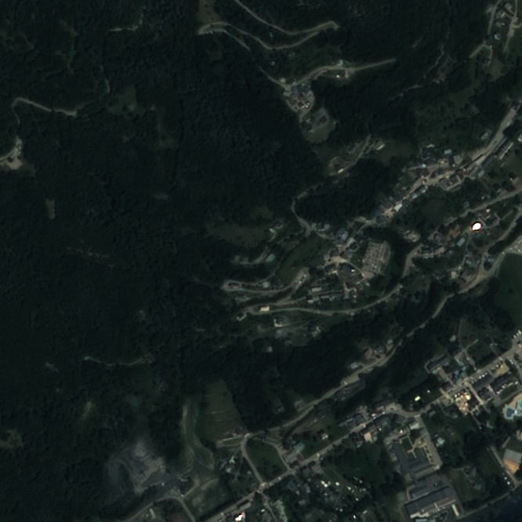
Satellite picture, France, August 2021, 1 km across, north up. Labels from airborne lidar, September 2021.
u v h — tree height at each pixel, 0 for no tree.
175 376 33
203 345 15
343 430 0
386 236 20
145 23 15
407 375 12
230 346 13
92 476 28
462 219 11
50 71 16
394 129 28
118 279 19
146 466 0
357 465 0
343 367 16
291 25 11
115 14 24
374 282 9
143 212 15
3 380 19
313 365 26
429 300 16
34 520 23
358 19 16
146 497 18
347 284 7
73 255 7
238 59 28
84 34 28
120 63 33
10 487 27
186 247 17
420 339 21
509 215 0
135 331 12
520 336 0
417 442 0
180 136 6
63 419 22
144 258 6
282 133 24
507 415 0
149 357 9
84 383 13
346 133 21
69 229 16
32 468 7
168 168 7
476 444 17
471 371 8
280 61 17
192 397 0
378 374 10
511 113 0
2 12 17
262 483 0
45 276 26
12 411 21
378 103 26
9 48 8
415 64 12
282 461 0
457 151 7
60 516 18
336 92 14
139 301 20
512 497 0
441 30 17
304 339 0
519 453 0
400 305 17
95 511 7
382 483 0
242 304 7
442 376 0
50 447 22
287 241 9
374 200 8
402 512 0
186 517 0
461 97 0
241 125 26
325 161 0
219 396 0
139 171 18
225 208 19
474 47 10
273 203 25
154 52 34
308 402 0
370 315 6
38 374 18
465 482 0
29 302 25
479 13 12
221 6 6
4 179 15
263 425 14
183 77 26
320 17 17
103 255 12
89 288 15
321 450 0
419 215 7
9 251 6
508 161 0
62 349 26
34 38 19
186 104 31
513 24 0
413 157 7
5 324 17
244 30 14
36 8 17
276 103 13
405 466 0
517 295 0
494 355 14
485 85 10
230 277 16
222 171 19
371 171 19
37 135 31
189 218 20
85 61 20
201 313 11
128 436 20
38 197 18
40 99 15
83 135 22
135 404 0
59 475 33
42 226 20
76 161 26
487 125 6
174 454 10
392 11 18
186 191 18
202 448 0
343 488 0
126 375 11
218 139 28
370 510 0
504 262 0
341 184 12
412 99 21
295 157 16
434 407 9
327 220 22
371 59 21
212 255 11
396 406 0
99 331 24
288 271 0
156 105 15
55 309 19
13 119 14
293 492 7
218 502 0
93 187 22
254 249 10
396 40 17
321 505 13
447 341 11
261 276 12
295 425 6
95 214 19
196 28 7
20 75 12
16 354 22
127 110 16
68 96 20
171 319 11
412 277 9
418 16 20
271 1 16
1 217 20
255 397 28
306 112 0
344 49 17
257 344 15
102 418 12
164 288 26
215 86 30
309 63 7
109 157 20
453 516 0
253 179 30
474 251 7
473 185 6
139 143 21
